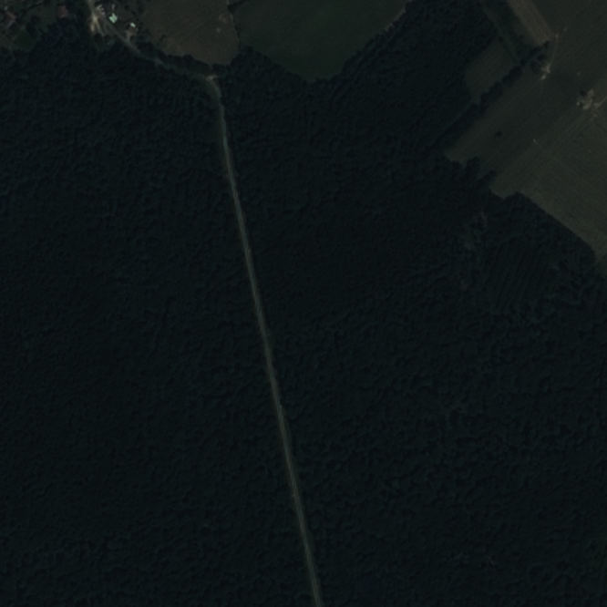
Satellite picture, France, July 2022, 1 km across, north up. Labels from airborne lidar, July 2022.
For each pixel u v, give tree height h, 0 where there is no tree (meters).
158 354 26
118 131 22
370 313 26
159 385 23
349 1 0
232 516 23
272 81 24
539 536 24
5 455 21
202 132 23
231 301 25
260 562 18
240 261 19
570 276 7
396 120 20
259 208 27
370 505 27
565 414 28
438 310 21
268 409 25
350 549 25
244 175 19
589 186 0
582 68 0
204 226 20
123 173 26
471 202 20
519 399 27
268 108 23
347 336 25
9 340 22
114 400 20
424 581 23
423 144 13
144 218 25
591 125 0
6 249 20
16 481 18
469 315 19
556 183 0
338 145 21
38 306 19
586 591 25
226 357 25
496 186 0
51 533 19
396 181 20
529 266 8
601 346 24
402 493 26
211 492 21
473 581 23
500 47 0
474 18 21
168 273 23
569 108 0
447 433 22
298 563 23
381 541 22
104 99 25
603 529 18
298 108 23
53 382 23
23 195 30
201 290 24
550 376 24
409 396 24
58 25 8
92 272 24
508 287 7
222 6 0
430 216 17
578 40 0
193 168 21
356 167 17
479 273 24
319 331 24
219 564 26
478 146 0
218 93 0
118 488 18
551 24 0
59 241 21
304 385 24
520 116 0
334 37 0
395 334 20
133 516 17
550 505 22
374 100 21
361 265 17
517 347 24
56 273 20
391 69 19
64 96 8
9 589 24
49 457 18
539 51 11
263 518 24
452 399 24
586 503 22
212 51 0
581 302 14
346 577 21
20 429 22
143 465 24
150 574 24
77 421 23
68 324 22
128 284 25
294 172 23
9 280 17
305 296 19
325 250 17
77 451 23
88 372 21
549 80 0
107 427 24
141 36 8
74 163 18
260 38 0
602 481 17
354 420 22
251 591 28
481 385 26
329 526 16
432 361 24
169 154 19
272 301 21
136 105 15
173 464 17
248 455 27
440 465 24
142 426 25
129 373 27
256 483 21
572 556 25
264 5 0
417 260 22
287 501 23
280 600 14
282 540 21
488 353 24
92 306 21
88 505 18
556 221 13
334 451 24
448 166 18
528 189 0
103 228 24
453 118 16
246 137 18
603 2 0
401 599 22
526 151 0
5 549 20
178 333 21
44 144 27
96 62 25
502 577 21
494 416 29
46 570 15
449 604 20
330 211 23
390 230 16
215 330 20
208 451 22
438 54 21
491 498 20
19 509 23
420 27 21
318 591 0
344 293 17
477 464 26
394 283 15
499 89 14
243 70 18
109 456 21
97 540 11
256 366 25
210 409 24
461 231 11
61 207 27
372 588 28
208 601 26
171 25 0
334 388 26
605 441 25
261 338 17
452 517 22
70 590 20
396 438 20
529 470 20
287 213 25
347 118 19
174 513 23
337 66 0
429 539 23
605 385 27
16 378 25
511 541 25
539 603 26
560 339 20
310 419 26
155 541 23
